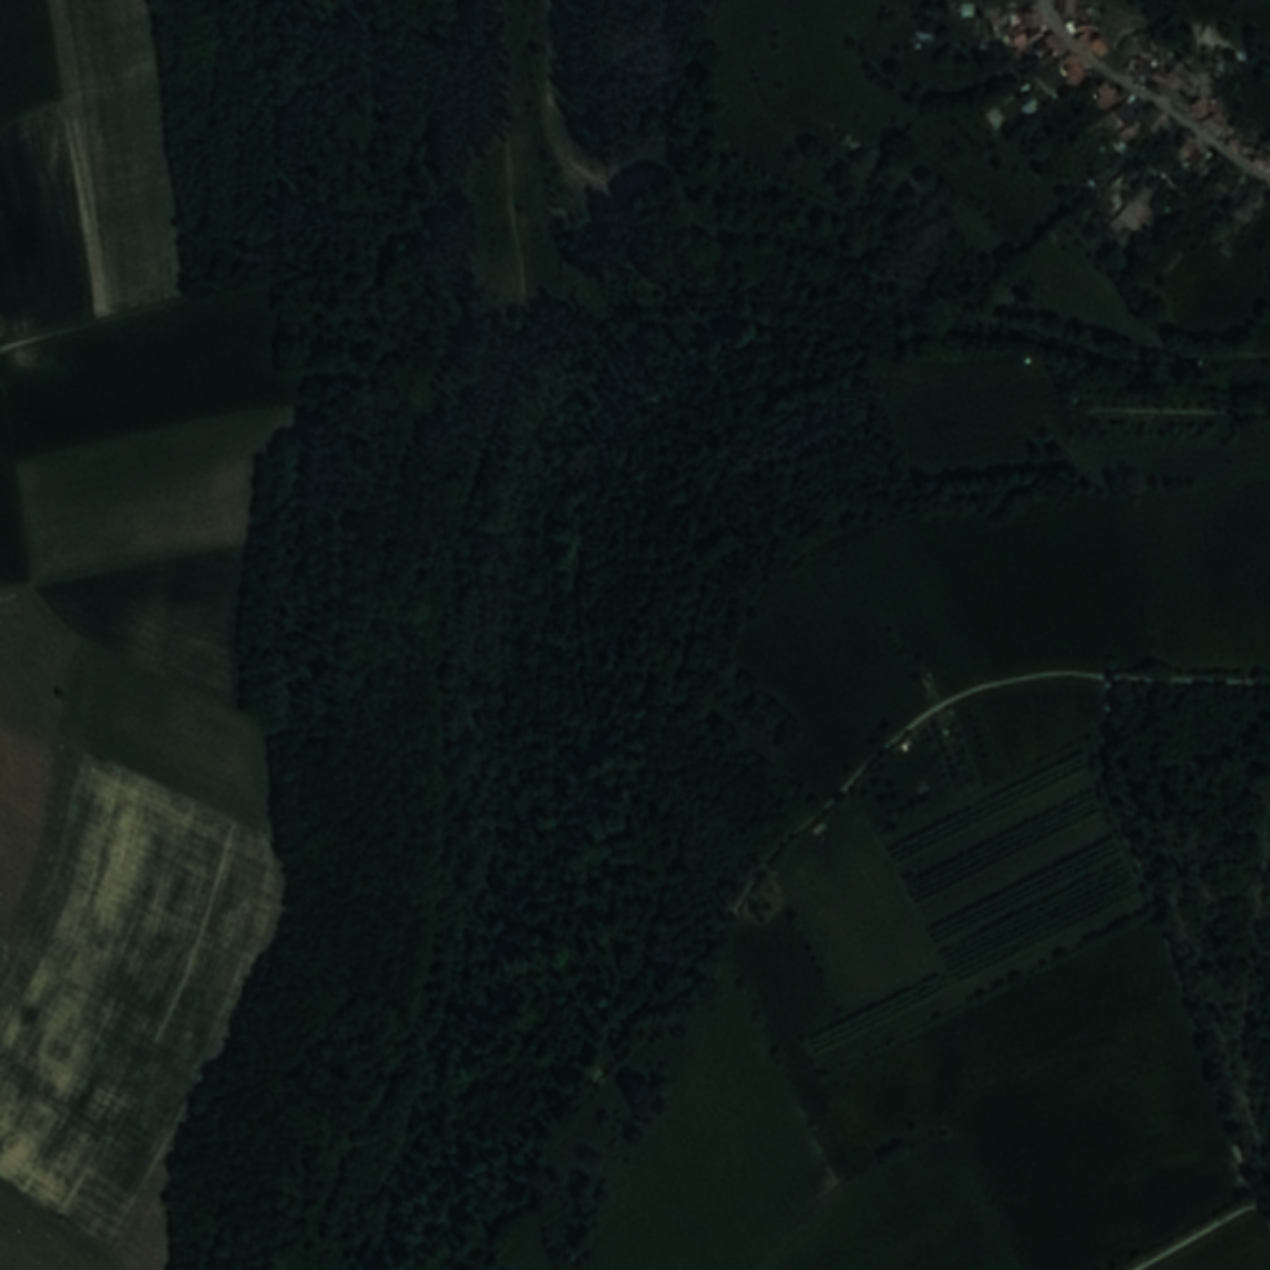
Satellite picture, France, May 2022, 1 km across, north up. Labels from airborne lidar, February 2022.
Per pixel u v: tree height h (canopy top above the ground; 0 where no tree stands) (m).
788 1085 0
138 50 0
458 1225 34
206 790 0
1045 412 0
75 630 0
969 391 0
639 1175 0
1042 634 0
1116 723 8
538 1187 14
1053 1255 0
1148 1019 0
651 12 27
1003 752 0
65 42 0
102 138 0
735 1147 0
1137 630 0
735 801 14
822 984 0
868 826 0
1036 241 6
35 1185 0
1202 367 24
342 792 18
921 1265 0
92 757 0
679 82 21
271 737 14
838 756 0
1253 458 0
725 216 19
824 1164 0
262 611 14
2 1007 0
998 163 9
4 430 0
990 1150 0
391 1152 13
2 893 0
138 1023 0
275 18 12
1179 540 0
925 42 0
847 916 0
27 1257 0
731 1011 0
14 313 0
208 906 0
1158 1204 0
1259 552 0
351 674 14
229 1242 19
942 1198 0
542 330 30
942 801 0
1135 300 16
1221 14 0
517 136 0
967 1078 0
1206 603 0
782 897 0
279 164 32
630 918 13
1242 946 10
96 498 0
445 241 35
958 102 13
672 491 17
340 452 32
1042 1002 0
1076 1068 0
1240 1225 0
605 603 16
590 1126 0
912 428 0
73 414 0
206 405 0
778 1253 0
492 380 30
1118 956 0
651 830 7
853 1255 0
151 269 0
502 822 13
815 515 11
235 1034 20
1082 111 9
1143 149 7
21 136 0
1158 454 0
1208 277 0
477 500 13
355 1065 11
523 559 11
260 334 0
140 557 0
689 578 14
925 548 0
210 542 0
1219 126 0
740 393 15
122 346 0
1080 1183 0
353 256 13
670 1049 0
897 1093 0
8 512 0
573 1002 17
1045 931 6
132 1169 0
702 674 14
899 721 0
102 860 0
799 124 0
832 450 16
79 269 0
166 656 0
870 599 0
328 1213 10
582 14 23
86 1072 0
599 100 31
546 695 11
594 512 10
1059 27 0
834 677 0
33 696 0
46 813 0
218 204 27
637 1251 0
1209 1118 0
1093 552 0
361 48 28
